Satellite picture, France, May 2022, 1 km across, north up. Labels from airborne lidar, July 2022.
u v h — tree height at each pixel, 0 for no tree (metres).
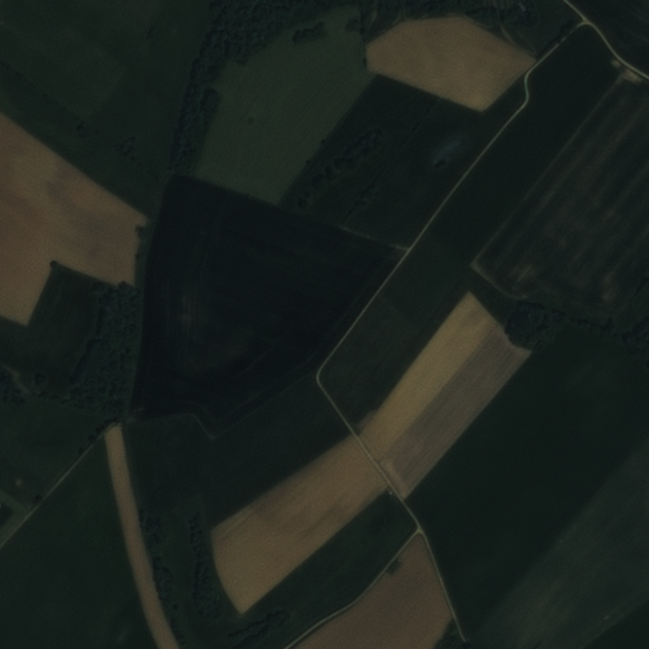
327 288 0
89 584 0
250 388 0
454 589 0
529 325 30
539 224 0
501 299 0
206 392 0
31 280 0
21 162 0
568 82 0
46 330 0
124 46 0
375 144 16
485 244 0
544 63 0
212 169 0
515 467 0
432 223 0
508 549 0
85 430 0
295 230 0
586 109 0
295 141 0
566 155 0
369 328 0
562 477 0
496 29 0
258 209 0
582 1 0
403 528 0
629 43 0
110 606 0
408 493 0
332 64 0
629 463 0
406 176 0
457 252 0
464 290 0
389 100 0
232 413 0
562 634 0
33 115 0
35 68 0
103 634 0
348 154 13
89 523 0
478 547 0
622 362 0
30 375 0
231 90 0
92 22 0
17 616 0
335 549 0
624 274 0
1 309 0
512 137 0
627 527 0
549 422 0
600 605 0
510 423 0
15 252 0
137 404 0
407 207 0
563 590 0
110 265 0
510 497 0
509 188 0
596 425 0
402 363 0
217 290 0
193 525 7
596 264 0
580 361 0
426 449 0
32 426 0
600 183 0
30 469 0
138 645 0
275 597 0
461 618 0
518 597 0
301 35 8
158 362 0
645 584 0
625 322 0
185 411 0
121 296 22
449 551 0
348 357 0
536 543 0
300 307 0
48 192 0
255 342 0
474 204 0
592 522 0
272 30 22
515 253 0
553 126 0
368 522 0
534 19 19
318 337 0
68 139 0
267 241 0
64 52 0
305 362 0
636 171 0
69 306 0
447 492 0
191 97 18
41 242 0
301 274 0
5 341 0
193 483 0
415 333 0
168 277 0
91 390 24
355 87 0
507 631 0
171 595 23
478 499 0
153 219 0
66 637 0
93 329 0
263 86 0
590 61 0
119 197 0
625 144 0
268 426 0
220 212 0
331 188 0
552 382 0
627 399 0
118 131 0
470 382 0
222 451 0
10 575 0
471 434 0
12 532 0
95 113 0
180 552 0
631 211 0
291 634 0
